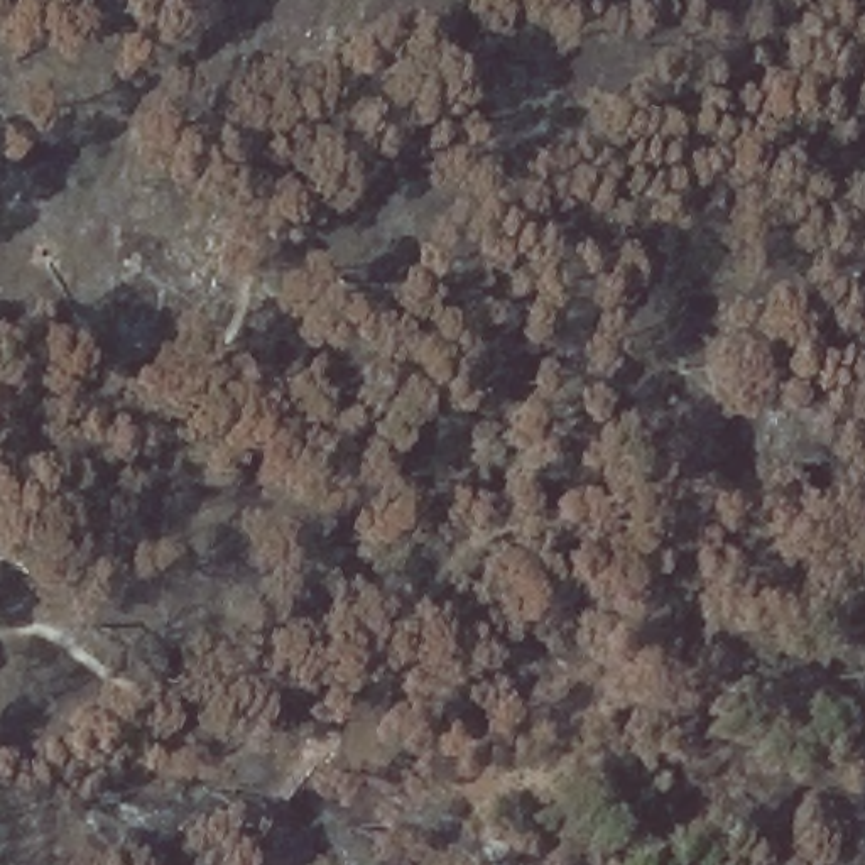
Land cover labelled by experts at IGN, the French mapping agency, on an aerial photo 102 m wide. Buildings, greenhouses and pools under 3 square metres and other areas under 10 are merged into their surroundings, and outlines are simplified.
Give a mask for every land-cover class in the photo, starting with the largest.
<instances>
[{"label":"coniferous trees","instance_id":"1","mask_svg":"<svg viewBox=\"0 0 865 865\"><path fill-rule=\"evenodd\" d=\"M132 135V203L152 213L162 226H182L186 233L209 230L213 240L233 247L240 257H257L280 287V297H267L247 307L243 328L220 365H209L199 355L162 351V345L176 338V318L169 307H155V287L149 284H118L91 304L57 301L54 314H41L37 321H24L20 301H0V865H14L20 838H27L30 818L64 824L81 818L84 811H122V821L135 828L122 855L91 865H865V0H0V247L37 223V203L64 189L68 172L84 149H95L101 159H108L112 142Z\"/></svg>","mask_w":865,"mask_h":865},{"label":"bare soil","instance_id":"2","mask_svg":"<svg viewBox=\"0 0 865 865\"><path fill-rule=\"evenodd\" d=\"M132 135L112 142L108 159H101L95 149H84L68 172L64 189L37 203V223L0 247V301H20L24 321H37L41 314H54L57 301L91 304L118 284H149L155 287V307H169L176 318V338L162 345V351L199 355L209 365H220L243 328L247 307L267 297H280V287L257 257H240L233 247L213 240L209 230L186 233L182 226H162L152 213L132 203ZM135 828L122 821V811H84L81 818L64 824L30 818L27 838H20L14 865H91L122 855Z\"/></svg>","mask_w":865,"mask_h":865}]
</instances>
